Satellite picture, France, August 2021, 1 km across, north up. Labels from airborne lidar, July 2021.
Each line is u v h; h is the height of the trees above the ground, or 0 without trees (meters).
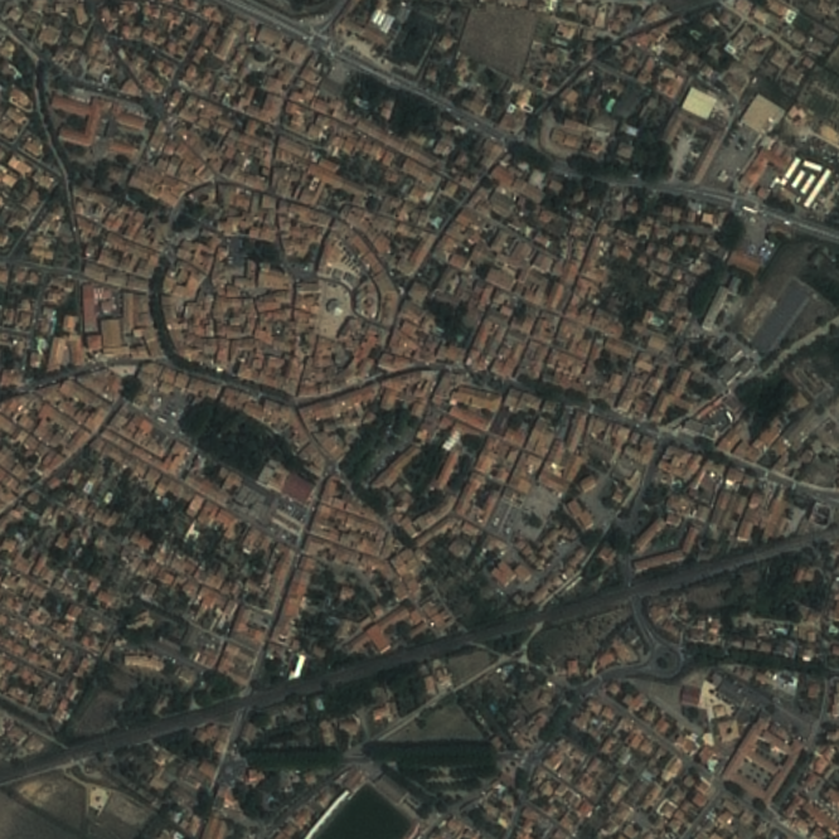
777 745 0
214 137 6
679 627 8
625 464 0
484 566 6
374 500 15
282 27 0
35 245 0
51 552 8
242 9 0
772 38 6
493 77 21
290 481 0
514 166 13
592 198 13
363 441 12
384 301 0
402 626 11
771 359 9
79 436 0
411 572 0
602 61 6
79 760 0
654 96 9
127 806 0
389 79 0
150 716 12
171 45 0
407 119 13
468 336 7
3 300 10
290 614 0
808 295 0
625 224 11
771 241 11
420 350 0
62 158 10
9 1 0
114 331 0
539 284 0
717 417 0
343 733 6
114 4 9
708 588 7
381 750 21
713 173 0
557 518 6
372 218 0
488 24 0
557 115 12
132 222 0
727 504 0
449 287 8
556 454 0
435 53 6
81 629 6
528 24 0
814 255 9
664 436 0
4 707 9
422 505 7
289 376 0
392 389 0
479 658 0
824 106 0
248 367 0
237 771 0
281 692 0
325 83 0
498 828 5
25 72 11
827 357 0
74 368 9
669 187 0
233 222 0
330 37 0
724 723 0
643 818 0
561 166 0
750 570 11
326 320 0
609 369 15
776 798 12
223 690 16
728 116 0
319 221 0
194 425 22
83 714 0
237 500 0
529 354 0
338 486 10
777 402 10
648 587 0
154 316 14
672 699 0
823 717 0
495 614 6
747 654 11
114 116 0
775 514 0
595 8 0
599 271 0
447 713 0
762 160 0
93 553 9
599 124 0
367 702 5
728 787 14
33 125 8
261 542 0
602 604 0
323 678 0
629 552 11
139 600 11
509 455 0
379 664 0
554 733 15
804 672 10
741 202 0
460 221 0
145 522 9
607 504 9
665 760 9
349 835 0
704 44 6
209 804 19
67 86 10
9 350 6
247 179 0
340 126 0
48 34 0
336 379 0
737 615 10
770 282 0
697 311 21
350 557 0
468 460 12
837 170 0
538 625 0
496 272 0
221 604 0
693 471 0
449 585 0
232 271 0
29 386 0
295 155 0
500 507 0
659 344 0
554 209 7
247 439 15
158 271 10
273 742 16
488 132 0
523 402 0
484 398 0
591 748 8
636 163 8
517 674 7
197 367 16
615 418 0
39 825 0
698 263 0
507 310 0
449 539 7
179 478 0
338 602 11
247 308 0
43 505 9
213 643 0
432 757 23
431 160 0
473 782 14
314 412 0
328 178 0
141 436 0
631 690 10
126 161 10
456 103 13
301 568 0
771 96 0
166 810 11
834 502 0
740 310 0
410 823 0
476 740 0
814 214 0
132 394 17
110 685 17
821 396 0
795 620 18
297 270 0
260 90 7
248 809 20
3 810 0
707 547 9
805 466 9
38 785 0
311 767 21
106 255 0
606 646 7
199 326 0
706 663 12
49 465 0
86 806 0
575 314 0
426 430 0
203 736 0
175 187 0
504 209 0
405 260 0
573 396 20
